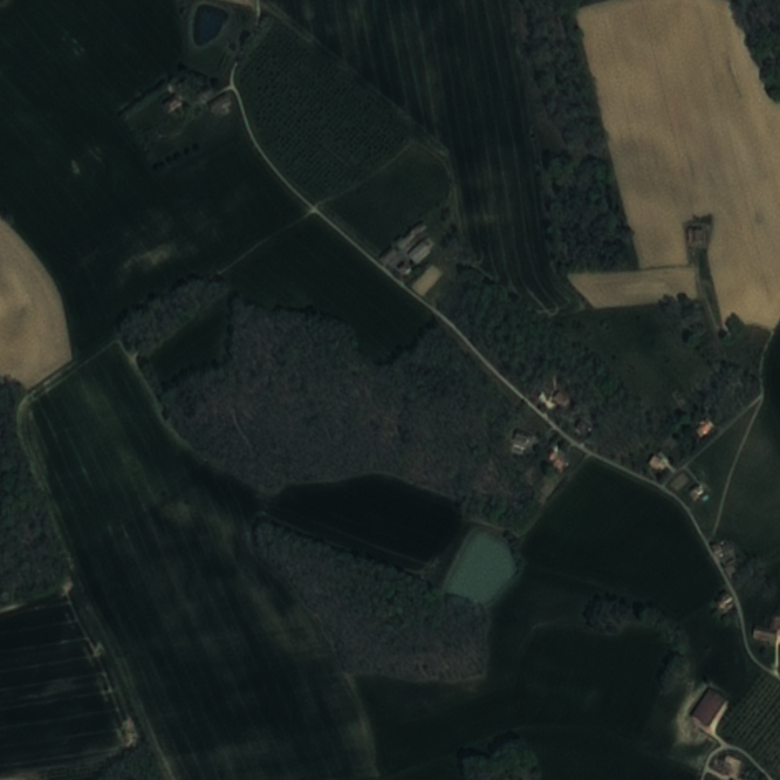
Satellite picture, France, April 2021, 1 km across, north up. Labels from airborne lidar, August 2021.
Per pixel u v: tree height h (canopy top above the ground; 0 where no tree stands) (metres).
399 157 0
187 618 0
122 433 0
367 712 0
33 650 0
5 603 16
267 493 17
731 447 0
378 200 0
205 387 19
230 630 0
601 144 21
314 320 21
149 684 0
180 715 0
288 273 0
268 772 0
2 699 0
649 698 0
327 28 0
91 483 0
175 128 0
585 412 16
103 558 0
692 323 16
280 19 0
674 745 0
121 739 0
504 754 24
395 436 12
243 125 0
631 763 0
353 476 15
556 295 0
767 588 16
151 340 22
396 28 0
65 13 0
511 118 0
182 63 0
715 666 0
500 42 0
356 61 0
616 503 0
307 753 0
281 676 0
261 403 13
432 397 20
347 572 20
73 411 0
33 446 0
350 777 0
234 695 0
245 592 0
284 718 0
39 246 0
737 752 0
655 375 0
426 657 13
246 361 20
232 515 0
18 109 0
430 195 0
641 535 0
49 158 0
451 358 19
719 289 0
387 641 17
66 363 0
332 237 0
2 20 0
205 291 15
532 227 0
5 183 0
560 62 25
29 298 0
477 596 0
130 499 0
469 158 0
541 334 25
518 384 10
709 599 0
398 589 24
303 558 20
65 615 0
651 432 12
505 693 0
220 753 0
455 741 0
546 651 0
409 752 0
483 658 18
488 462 21
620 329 0
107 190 0
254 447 18
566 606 0
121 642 0
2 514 23
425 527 0
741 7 19
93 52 0
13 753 0
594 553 0
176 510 0
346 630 18
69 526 0
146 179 0
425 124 0
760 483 0
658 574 0
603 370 19
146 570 0
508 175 0
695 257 0
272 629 0
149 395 0
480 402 18
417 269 9
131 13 0
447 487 16
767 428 0
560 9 23
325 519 0
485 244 0
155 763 24
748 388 20
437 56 0
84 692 0
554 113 17
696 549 0
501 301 24
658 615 17
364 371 15
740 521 0
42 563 16
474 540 0
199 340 0
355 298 0
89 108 0
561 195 20
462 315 15
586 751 0
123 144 0
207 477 0
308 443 18
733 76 0
